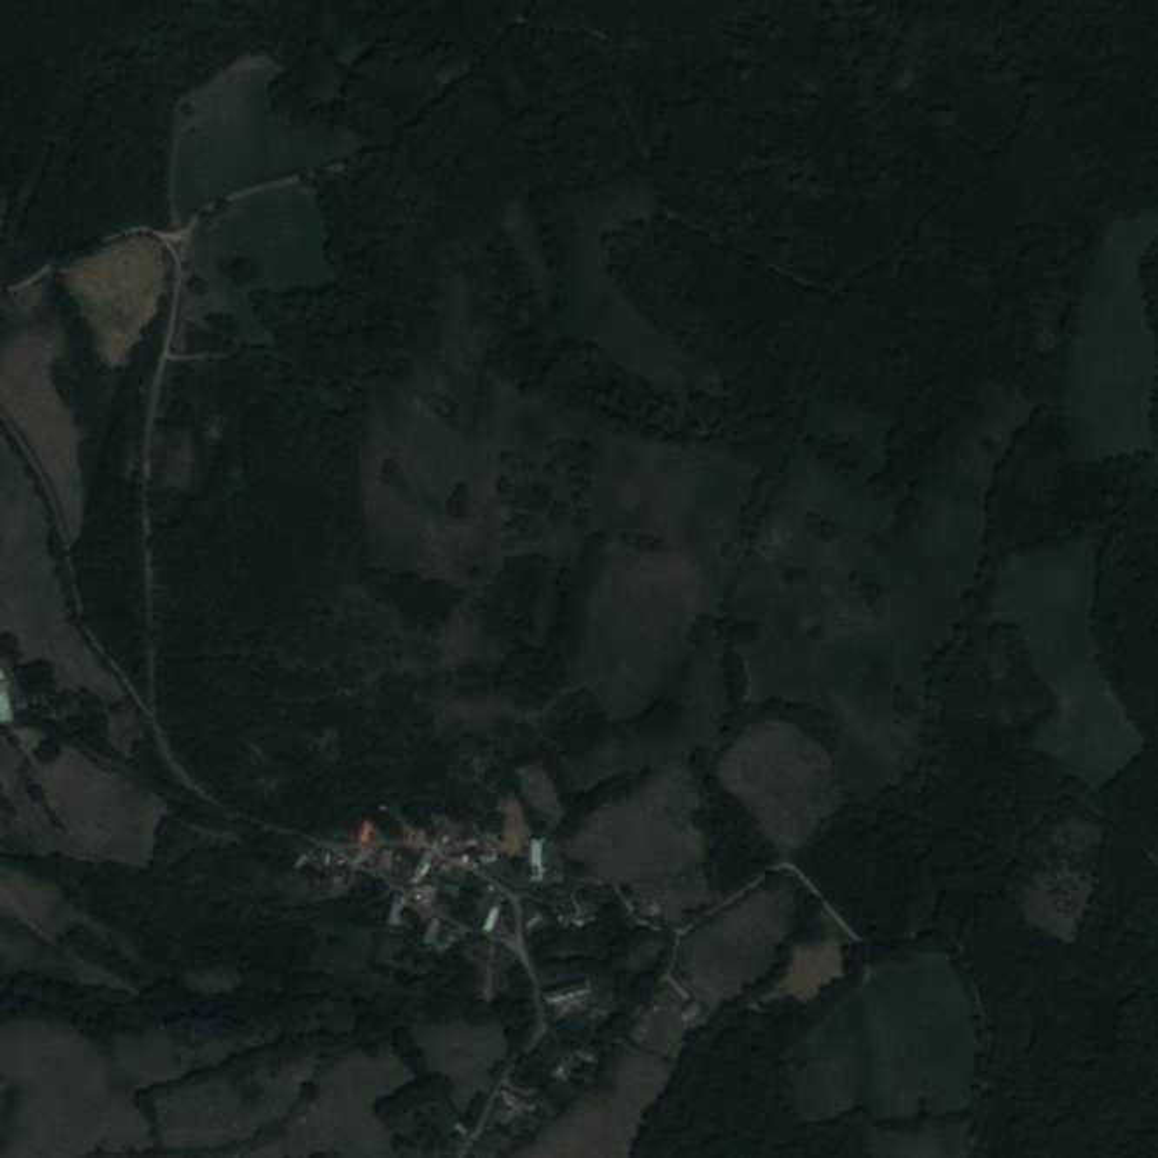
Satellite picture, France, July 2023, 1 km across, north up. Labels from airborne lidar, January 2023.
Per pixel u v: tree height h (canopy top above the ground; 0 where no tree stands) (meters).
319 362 17
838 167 7
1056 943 8
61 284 8
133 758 6
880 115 8
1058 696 8
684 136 20
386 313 13
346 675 5
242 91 0
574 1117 0
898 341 18
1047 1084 14
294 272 0
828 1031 0
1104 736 0
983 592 8
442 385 0
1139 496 18
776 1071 16
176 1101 0
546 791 0
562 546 0
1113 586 15
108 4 18
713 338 20
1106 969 17
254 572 13
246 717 9
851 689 0
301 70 17
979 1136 11
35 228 11
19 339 0
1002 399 0
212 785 8
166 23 14
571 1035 7
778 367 16
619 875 0
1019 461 13
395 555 0
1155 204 15
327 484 9
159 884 15
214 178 0
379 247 18
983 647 15
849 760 0
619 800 13
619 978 10
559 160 18
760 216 12
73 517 0
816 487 0
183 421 10
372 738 8
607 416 17
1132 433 0
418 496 0
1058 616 0
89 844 0
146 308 0
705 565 0
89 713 13
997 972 14
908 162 11
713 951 0
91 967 0
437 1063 0
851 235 14
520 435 0
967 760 13
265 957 6
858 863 8
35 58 22
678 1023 0
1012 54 15
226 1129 0
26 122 19
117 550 8
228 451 12
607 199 0
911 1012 0
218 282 0
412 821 9
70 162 13
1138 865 16
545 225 7
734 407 13
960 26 18
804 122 9
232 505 7
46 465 0
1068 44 8
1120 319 0
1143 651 16
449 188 21
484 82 19
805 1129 10
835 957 0
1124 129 14
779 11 18
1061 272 17
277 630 9
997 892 7
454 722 0
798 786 0
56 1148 0
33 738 0
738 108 14
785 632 0
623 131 15
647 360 0
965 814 10
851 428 0
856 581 8
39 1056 0
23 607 0
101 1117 0
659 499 0
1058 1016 17
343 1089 0
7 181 7
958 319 17
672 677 0
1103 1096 16
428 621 11
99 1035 14
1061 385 13
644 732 12
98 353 8
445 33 9
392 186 20
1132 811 16
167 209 10
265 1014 10
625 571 0
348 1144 0
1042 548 13
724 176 13
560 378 22
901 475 12
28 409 0
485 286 0
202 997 6
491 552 0
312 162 0
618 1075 0
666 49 12
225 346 9
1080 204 17
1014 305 17
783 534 0
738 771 0
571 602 8
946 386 20
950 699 13
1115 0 12
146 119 13
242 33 12
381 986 0
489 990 0
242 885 0
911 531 8
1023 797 12
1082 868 0
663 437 14
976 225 17
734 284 12
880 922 11
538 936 9
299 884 0
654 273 16
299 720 5
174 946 13
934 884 15
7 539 0
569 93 19
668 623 0
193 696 12
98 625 10
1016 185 17
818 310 18
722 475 0
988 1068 9
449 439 0
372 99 21
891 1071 0
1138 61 14
